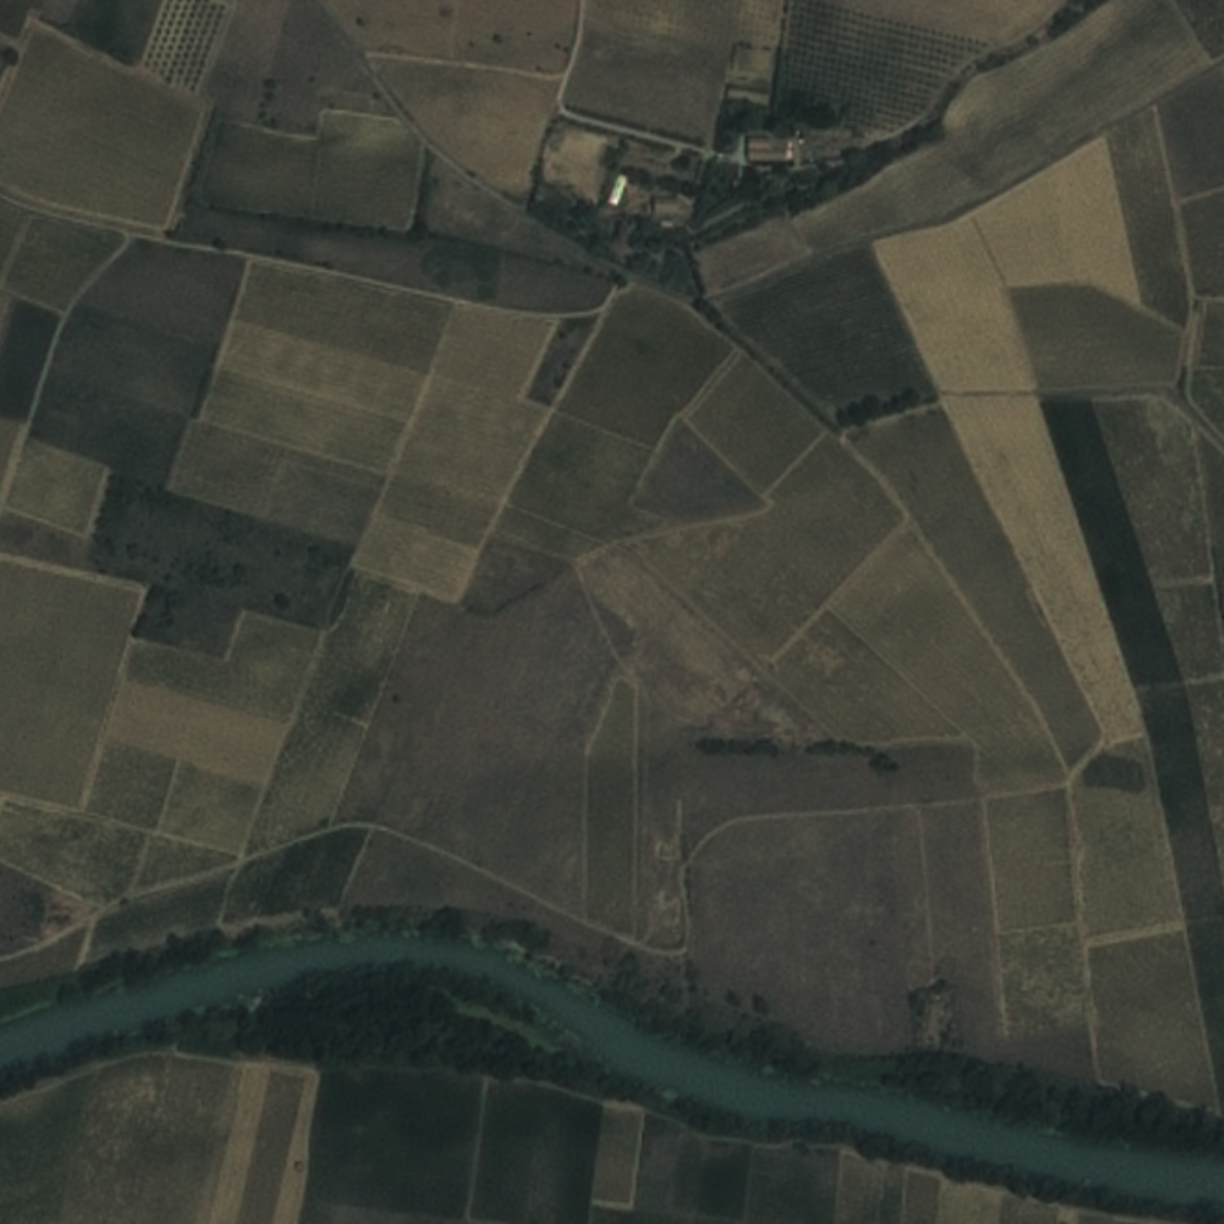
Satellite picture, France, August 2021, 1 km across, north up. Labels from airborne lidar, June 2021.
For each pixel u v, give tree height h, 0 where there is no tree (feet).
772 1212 0
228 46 0
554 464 0
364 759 0
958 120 0
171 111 0
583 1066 44
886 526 0
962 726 0
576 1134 0
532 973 0
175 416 0
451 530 0
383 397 0
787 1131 40
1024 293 0
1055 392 0
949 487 0
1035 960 0
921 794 0
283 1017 66
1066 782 0
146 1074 0
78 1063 46
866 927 0
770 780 0
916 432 0
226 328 0
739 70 0
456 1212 0
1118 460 0
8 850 0
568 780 0
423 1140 0
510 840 0
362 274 0
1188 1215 34
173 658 0
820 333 0
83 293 0
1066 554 0
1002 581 0
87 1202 0
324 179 0
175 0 0
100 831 0
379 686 0
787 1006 0
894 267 0
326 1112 0
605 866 0
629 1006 33
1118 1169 0
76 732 0
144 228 0
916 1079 30
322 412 0
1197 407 0
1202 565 0
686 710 0
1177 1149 52
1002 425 0
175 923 0
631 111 0
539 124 0
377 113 0
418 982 27
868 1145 65
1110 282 0
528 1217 0
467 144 0
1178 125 0
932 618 0
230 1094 0
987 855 0
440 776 0
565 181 0
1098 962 0
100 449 0
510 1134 0
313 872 0
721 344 0
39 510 0
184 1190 0
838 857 0
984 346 0
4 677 0
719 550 0
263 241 0
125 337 0
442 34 0
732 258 0
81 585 0
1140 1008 0
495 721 0
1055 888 0
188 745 0
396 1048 83
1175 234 0
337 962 0
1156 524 0
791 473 0
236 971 0
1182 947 0
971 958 0
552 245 0
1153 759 0
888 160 26
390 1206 0
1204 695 0
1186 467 0
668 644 0
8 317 0
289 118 0
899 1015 0
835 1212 0
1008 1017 0
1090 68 0
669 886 0
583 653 0
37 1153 0
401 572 0
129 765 0
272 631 0
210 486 0
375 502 0
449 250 0
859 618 0
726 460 0
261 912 0
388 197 0
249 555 0
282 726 0
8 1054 0
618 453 0
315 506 0
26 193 0
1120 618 0
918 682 0
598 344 0
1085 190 0
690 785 0
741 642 0
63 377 0
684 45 0
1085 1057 0
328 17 0
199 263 0
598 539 0
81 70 0
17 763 0
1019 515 0
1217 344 0
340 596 0
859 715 0
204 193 0
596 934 0
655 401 0
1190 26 0
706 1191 0
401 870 0
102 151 0
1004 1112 62
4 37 0
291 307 0
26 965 0
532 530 0
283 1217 0
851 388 0
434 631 0
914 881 0
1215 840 0
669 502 0
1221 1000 0
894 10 0
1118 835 0
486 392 0
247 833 0
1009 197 0
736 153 0
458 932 53
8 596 0
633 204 0
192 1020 52
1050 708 0
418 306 0
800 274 0
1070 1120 55
